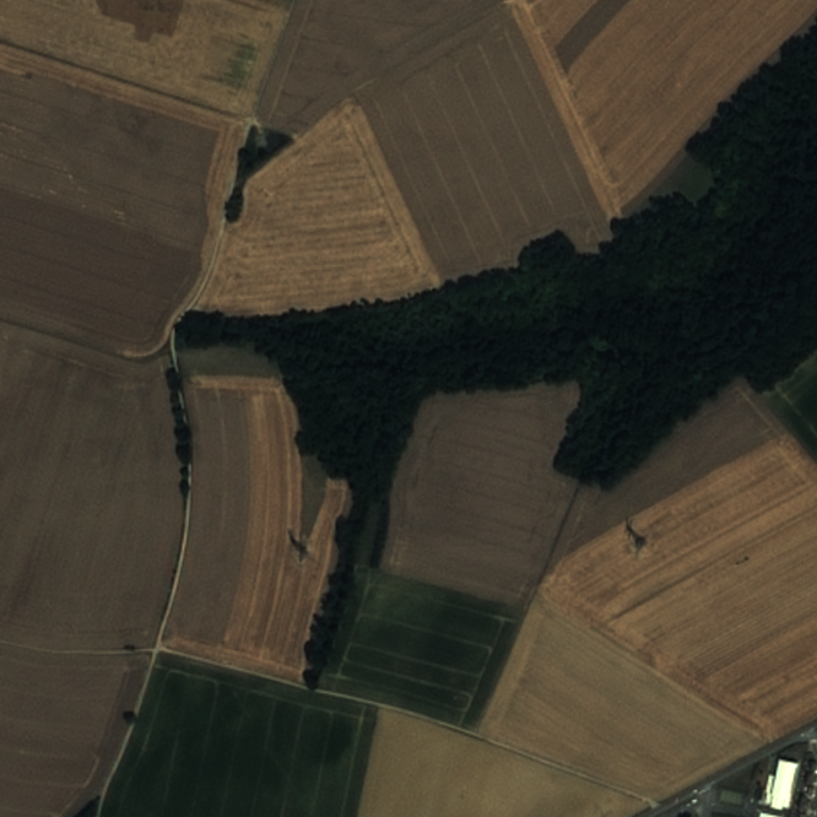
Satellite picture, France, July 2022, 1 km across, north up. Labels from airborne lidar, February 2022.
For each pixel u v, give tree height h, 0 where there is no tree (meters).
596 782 0
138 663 0
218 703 0
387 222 0
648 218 20
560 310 24
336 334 15
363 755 0
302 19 0
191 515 0
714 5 0
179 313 0
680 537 0
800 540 0
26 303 0
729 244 24
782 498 0
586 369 20
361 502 8
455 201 0
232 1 0
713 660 0
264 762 0
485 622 0
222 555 0
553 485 0
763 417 0
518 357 23
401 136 0
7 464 0
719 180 16
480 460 0
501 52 0
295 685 0
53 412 0
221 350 0
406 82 0
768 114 22
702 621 0
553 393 0
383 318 8
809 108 28
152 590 0
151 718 0
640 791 0
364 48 0
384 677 0
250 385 0
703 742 0
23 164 0
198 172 0
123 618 0
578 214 0
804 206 8
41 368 0
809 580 0
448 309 17
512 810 0
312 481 0
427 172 0
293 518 0
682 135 0
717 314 31
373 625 0
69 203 0
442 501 0
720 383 18
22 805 0
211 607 0
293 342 20
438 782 0
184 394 0
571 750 0
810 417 0
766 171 31
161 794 0
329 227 0
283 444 0
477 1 0
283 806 0
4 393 0
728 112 18
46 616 0
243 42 0
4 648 0
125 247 0
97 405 0
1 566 0
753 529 0
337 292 0
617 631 0
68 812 0
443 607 0
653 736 0
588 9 0
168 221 0
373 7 0
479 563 0
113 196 0
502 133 0
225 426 0
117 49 0
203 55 0
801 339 19
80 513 0
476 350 22
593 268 19
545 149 0
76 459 0
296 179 0
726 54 0
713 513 0
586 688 0
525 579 0
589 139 0
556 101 0
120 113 0
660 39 0
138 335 0
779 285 22
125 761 0
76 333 0
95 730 0
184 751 0
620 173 0
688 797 0
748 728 0
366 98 0
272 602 0
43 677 0
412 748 0
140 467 0
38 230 0
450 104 0
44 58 0
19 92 0
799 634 0
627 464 18
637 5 0
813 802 0
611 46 0
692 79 0
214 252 0
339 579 12
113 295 0
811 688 0
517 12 0
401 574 0
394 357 14
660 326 29
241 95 0
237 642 0
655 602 0
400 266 0
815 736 0
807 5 0
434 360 26
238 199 10
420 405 10
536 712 0
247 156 8
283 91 0
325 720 0
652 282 22
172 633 0
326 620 7
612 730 0
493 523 0
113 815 0
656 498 0
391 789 0
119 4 0
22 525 0
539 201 0
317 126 0
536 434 0
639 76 0
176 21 0
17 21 0
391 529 0
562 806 0
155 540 0
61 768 0
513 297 19
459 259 0
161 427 0
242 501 0
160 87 0
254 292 0
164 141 0
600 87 0
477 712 0
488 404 0
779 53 0
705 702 0
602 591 0
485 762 0
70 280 0
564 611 0
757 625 0
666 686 0
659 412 26
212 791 0
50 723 0
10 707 0
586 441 21
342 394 18
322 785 0
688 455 0
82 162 0
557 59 0
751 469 0
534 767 0
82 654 0
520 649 0
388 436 17
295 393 17
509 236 0
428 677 0
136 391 0
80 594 0
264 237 0
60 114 0
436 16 0
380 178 0
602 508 0
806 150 27
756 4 0
